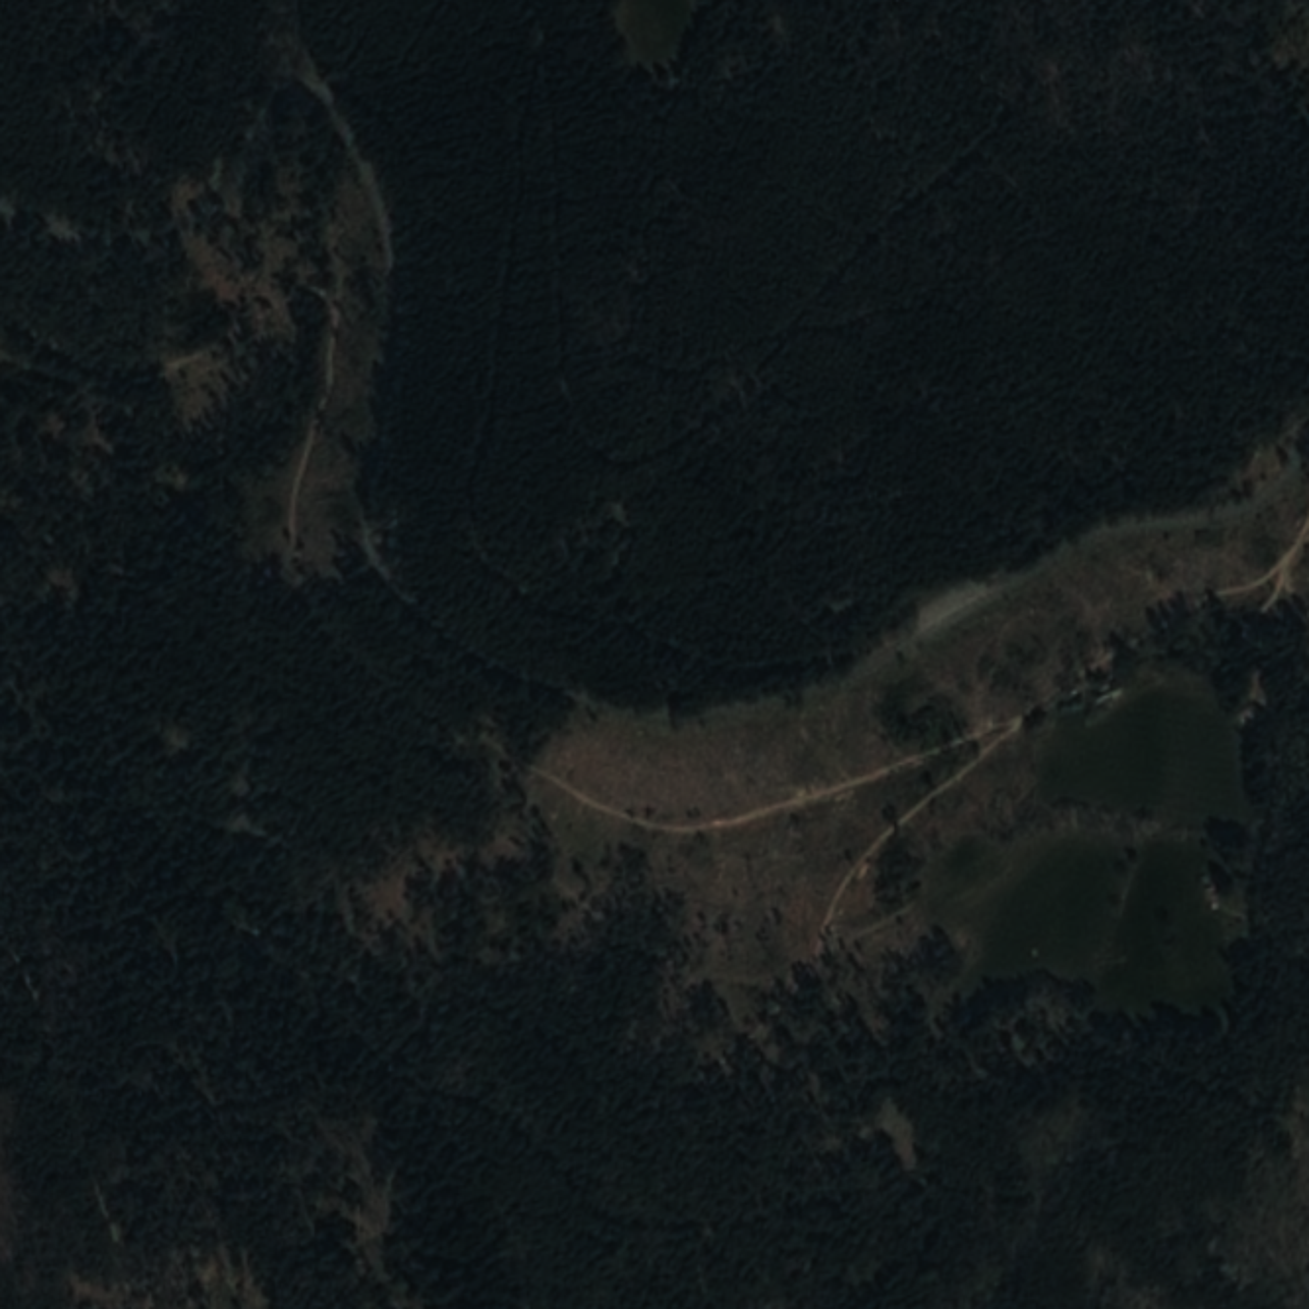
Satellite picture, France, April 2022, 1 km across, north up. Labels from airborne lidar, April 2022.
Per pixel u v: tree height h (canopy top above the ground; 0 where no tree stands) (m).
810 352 25
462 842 27
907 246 22
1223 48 34
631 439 20
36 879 28
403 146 21
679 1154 27
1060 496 31
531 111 19
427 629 28
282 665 28
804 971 0
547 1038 31
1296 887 19
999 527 30
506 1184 23
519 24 25
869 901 0
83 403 28
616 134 18
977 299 25
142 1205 20
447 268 18
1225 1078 25
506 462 19
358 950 25
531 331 16
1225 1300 24
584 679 22
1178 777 0
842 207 22
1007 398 26
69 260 29
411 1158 34
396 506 21
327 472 0
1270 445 10
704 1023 25
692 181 17
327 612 21
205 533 28
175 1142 36
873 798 0
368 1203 16
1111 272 23
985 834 19
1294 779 20
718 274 23
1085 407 24
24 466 34
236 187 24
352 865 26
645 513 19
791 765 0
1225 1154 24
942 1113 23
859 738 0
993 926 0
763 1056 21
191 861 33
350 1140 24
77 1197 23
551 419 18
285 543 0
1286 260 32
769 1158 29
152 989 29
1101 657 0
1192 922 0
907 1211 30
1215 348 26
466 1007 25
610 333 18
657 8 0
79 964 34
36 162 23
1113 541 0
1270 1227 17
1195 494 20
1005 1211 24
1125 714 0
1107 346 23
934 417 27
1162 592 0
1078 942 0
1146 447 27
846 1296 28
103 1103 25
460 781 25
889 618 16
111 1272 18
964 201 27
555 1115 19
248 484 30
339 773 28
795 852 0
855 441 23
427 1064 31
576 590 23
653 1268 31
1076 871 0
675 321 26
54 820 30
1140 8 31
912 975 29
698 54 19
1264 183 28
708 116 20
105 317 27
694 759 0
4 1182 22
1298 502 0
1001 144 25
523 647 23
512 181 21
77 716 32
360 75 21
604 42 22
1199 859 0
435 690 28
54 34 28
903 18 22
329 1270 27
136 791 36
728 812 0
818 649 20
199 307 6
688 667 30
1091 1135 24
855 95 27
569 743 0
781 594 25
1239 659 22
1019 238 23
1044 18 20
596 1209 24
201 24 27
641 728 0
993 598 0
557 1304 11
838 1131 27
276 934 33
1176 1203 25
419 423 19
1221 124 32
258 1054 35
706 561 19
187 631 28
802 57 25
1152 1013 0
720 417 20
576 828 0
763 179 23
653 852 0
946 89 22
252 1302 30
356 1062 36
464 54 25
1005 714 0
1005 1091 27
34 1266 19
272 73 23
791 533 24
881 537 30
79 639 40
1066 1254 23
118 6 27
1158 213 24
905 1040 22
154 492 31
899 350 26
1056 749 0
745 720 0
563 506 17
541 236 16
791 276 25
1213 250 26
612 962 26
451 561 21
